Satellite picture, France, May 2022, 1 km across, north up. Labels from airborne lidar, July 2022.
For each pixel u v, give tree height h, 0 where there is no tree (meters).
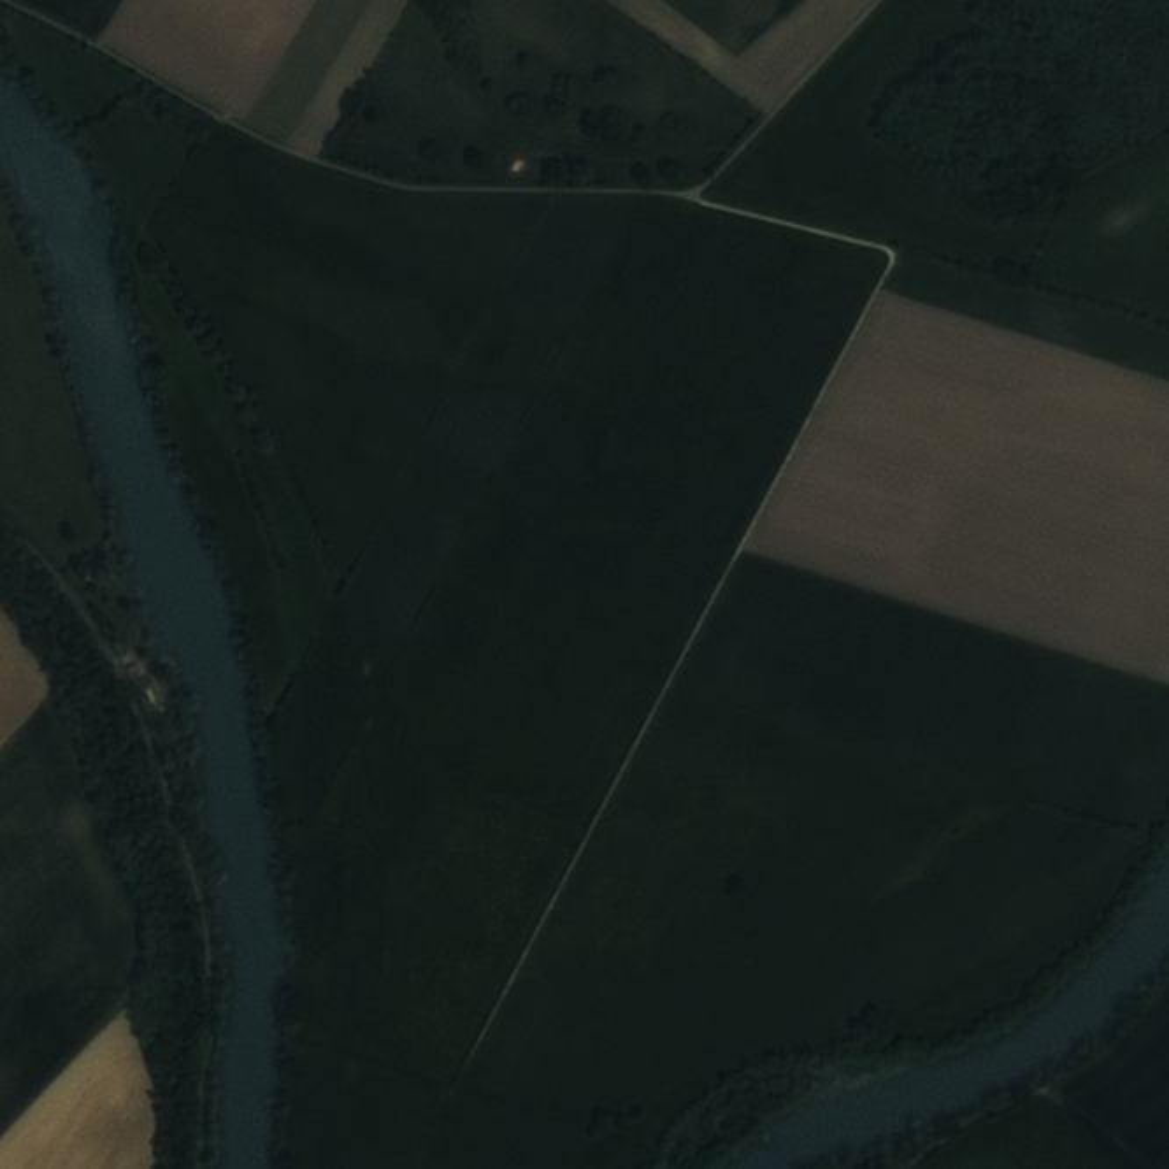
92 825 0
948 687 0
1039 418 0
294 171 0
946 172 20
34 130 0
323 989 0
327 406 0
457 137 0
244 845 0
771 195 0
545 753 0
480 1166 0
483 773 0
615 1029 0
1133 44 19
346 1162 0
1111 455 0
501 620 0
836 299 0
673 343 0
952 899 0
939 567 0
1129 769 0
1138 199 0
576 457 0
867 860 0
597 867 0
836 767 0
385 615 0
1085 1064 12
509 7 0
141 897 19
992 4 22
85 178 0
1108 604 0
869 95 0
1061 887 0
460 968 0
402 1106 0
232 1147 0
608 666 0
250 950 0
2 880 0
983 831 0
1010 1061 0
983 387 0
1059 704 0
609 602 0
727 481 0
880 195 0
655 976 0
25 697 0
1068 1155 0
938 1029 0
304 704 0
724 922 0
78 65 0
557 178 18
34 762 0
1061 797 0
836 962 0
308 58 0
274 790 16
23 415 0
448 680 0
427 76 0
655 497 0
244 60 0
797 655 0
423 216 0
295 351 0
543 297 0
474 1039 0
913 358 0
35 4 0
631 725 0
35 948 0
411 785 0
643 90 0
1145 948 0
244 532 0
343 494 0
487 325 0
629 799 0
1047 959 0
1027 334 0
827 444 0
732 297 0
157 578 0
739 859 0
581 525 0
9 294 0
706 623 0
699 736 0
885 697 0
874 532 0
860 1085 0
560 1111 0
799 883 0
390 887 0
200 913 15
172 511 0
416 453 0
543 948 0
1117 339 0
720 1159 13
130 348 0
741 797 0
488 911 0
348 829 0
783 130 0
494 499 0
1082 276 0
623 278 0
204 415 0
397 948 0
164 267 12
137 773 24
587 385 0
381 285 0
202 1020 26
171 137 0
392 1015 0
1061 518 0
